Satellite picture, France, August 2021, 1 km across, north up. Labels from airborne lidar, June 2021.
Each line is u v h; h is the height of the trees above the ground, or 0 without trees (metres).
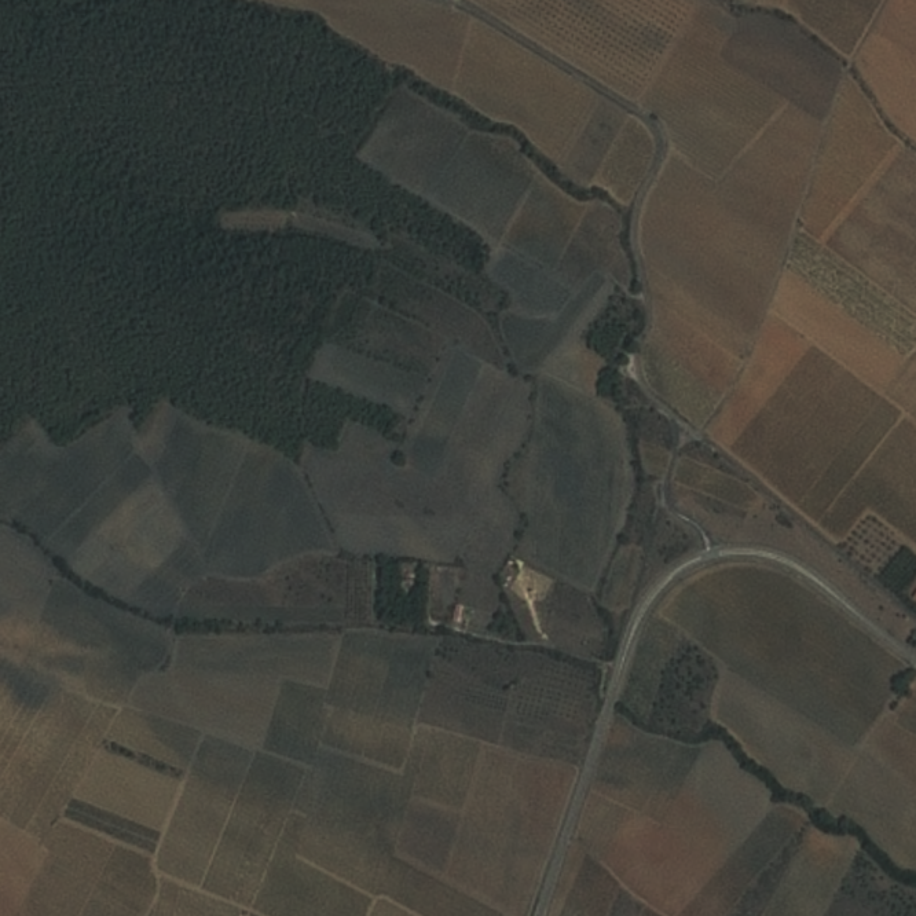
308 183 10
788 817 0
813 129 0
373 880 0
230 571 0
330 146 9
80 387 10
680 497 0
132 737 0
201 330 7
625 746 0
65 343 8
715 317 0
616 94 0
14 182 9
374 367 0
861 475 0
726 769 0
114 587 0
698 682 6
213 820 0
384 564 12
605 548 0
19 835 0
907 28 0
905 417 0
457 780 0
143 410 13
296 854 0
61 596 0
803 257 0
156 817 0
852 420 0
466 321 0
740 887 0
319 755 0
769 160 0
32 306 11
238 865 0
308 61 10
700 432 0
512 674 0
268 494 0
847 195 0
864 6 0
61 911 0
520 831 0
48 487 0
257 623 6
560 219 0
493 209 0
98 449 0
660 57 0
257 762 0
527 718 0
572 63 0
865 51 0
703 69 0
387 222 8
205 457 0
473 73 0
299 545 0
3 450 0
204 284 7
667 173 0
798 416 0
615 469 0
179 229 11
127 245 9
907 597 7
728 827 0
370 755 0
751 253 0
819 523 0
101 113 12
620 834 0
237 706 0
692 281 0
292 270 9
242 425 11
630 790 0
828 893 0
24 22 12
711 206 0
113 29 8
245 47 10
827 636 0
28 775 0
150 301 10
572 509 0
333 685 0
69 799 0
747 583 0
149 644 0
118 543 0
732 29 0
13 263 9
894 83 0
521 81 0
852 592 0
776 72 0
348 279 8
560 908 0
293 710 0
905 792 0
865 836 7
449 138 0
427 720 0
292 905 0
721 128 0
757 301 0
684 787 0
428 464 0
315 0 0
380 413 13
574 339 0
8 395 8
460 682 0
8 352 8
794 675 0
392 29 0
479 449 0
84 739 0
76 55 10
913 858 0
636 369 0
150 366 9
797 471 0
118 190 10
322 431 11
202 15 11
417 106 0
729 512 0
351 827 0
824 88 0
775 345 0
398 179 0
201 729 0
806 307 0
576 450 0
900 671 0
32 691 0
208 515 0
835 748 0
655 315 0
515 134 6
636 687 0
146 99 11
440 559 0
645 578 0
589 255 0
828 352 0
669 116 0
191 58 8
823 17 0
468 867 0
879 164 0
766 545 0
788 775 0
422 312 0
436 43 0
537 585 0
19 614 0
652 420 0
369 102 10
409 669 0
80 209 9
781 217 0
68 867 0
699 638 0
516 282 0
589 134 0
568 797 0
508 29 0
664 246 0
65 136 11
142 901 0
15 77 12
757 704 0
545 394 0
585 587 0
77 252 9
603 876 0
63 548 0
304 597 0
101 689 0
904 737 0
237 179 11
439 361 6
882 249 0
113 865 0
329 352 0
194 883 0
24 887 0
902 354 0
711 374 0
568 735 0
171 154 10
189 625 8
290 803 0
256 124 10
